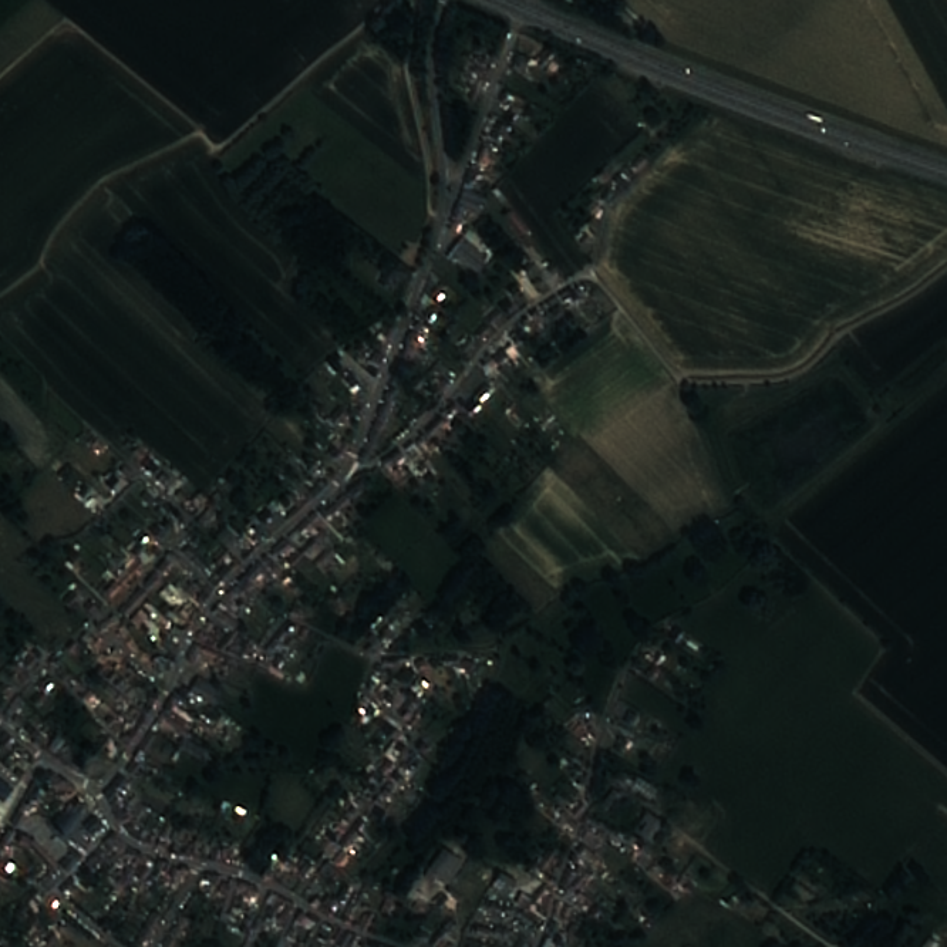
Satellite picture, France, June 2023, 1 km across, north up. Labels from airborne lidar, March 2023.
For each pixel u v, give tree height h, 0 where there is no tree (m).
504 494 0
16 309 0
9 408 0
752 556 17
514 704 21
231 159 0
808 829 0
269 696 0
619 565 0
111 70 0
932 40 0
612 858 0
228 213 0
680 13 0
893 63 0
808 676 0
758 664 0
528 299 0
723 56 0
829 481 0
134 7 0
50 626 0
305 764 0
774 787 0
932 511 0
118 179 0
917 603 0
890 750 0
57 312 0
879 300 0
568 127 0
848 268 0
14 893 0
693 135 0
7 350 0
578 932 8
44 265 0
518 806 25
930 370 0
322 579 10
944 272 0
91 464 0
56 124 0
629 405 0
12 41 0
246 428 0
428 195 0
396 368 14
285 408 11
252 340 6
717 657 6
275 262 0
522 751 0
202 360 0
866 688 0
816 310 0
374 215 0
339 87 0
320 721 0
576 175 0
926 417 0
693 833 0
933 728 0
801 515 0
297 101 0
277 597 8
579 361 0
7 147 0
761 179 0
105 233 0
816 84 0
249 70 0
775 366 0
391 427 0
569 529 0
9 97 0
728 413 0
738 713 0
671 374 0
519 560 0
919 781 0
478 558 9
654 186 0
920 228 0
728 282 0
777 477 0
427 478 6
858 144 0
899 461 0
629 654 0
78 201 0
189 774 0
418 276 0
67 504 0
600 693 0
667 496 0
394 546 0
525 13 0
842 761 0
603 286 0
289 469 7
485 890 0
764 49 0
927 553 0
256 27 0
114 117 0
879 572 0
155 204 0
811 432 0
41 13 0
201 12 0
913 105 0
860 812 0
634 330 0
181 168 0
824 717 0
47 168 0
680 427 0
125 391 0
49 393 0
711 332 0
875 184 0
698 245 0
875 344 0
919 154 0
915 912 13
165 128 0
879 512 0
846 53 0
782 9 0
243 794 0
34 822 0
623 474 0
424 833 22
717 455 0
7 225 0
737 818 0
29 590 0
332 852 0
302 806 0
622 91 0
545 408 0
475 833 18
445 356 0
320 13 0
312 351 0
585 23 0
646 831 0
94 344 0
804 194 0
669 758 0
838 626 0
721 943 0
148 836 0
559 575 0
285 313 0
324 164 0
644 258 0
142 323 0
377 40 12
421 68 11
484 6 0
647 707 0
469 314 0
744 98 0
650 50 0
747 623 0
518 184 0
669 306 0
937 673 0
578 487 0
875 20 0
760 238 0
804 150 0
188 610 0
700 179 0
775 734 0
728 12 0
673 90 0
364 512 14
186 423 0
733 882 10
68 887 0
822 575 0
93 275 0
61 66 0
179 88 0
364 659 0
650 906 12
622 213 0
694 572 21
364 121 0
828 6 0
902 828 0
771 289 0
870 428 0
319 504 0
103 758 0
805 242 0
